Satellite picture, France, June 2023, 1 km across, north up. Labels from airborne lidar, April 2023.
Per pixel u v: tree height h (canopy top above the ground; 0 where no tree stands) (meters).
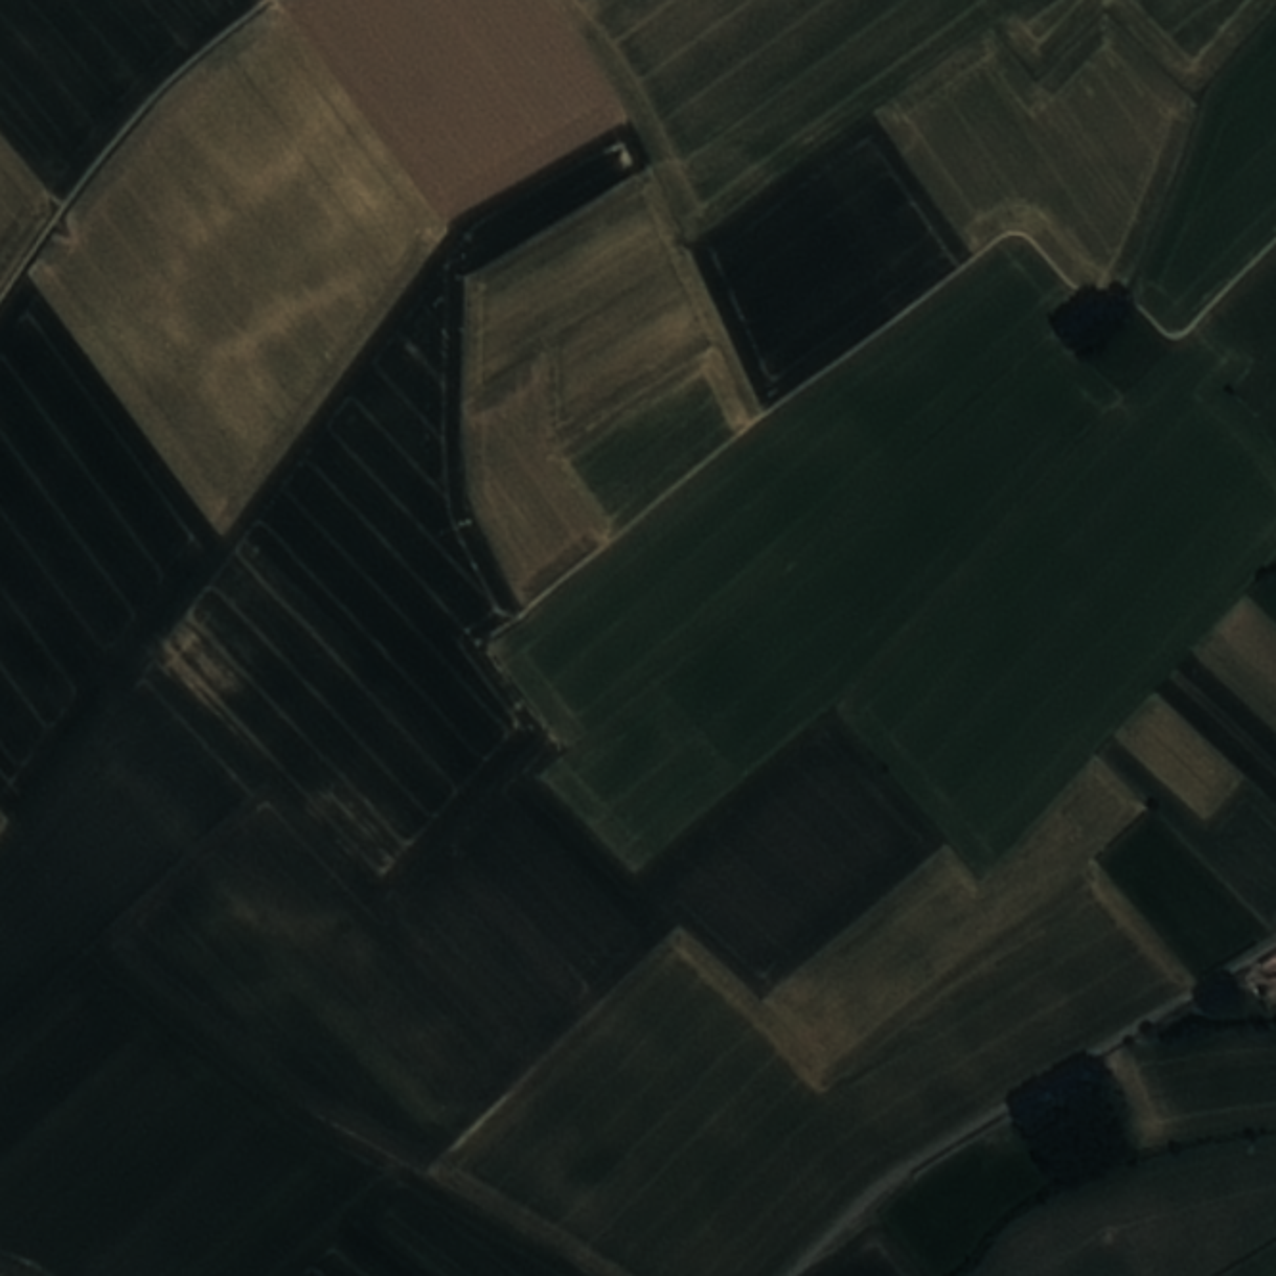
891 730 0
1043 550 0
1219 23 0
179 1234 0
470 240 0
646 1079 0
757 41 0
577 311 0
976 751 0
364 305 0
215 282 0
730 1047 0
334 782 0
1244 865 0
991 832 0
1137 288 0
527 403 0
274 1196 0
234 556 0
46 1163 0
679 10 0
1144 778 0
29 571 0
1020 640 0
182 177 0
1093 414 0
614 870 0
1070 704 0
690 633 0
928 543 0
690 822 0
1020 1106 26
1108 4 0
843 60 0
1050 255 0
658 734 0
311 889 0
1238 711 0
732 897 0
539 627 0
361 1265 0
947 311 0
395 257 0
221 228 0
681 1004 0
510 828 0
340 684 0
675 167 0
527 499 0
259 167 0
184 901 0
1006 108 0
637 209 0
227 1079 0
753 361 0
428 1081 0
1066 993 0
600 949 0
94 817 0
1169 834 0
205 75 0
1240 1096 0
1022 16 0
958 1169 0
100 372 0
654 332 0
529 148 0
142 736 0
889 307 0
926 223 0
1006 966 0
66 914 0
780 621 0
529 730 0
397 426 0
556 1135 0
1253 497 0
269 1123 0
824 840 0
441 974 0
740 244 0
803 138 0
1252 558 0
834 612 0
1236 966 0
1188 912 0
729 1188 0
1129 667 0
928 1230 0
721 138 0
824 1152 0
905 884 0
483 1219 0
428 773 0
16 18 0
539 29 0
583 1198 0
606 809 0
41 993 0
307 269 0
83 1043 0
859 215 0
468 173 0
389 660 0
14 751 0
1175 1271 0
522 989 0
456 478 0
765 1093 0
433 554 0
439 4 0
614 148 0
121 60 0
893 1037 0
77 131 0
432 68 0
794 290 0
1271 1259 0
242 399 0
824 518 0
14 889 0
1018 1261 0
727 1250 0
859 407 0
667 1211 0
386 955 0
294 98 0
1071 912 0
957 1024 0
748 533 0
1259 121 0
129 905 0
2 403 0
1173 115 0
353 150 0
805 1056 0
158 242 0
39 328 0
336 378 0
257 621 0
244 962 0
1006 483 0
